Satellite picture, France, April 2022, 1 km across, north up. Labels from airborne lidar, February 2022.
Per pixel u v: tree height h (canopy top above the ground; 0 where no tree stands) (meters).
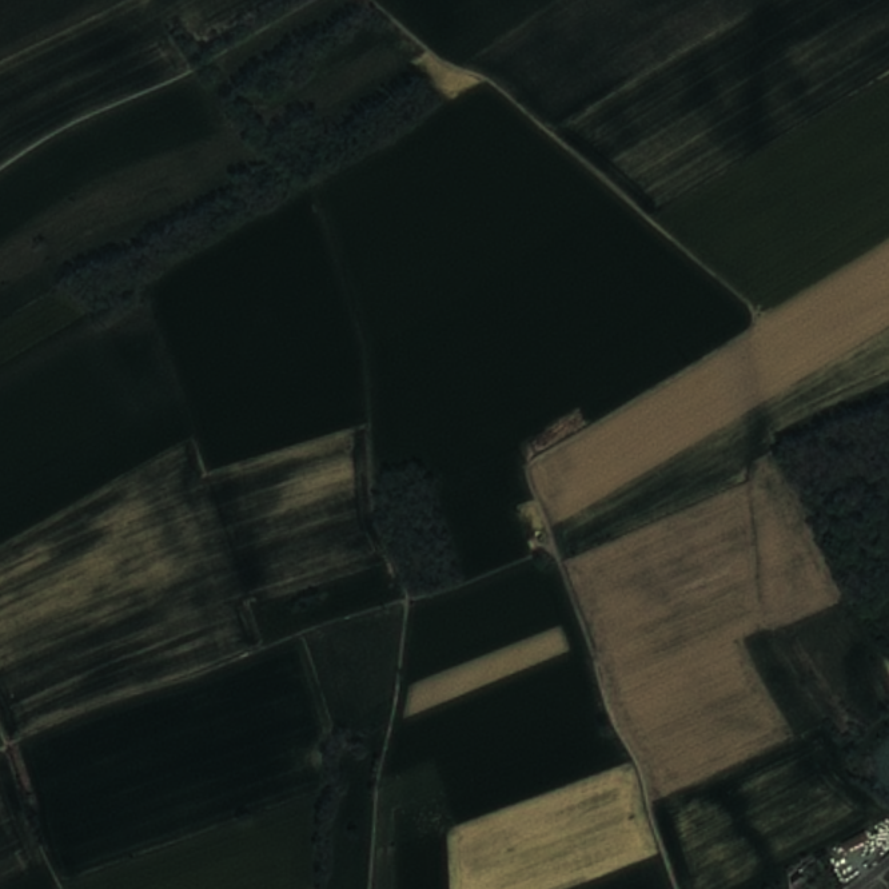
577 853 0
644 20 0
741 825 0
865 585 25
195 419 0
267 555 0
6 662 0
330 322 0
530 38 0
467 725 0
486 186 0
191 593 0
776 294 0
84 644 0
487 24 0
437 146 0
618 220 0
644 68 0
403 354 0
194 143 0
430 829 0
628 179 0
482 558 0
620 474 0
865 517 29
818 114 0
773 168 0
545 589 0
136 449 0
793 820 0
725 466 0
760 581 0
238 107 21
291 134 22
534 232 0
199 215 22
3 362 0
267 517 0
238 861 0
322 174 23
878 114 0
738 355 0
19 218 0
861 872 0
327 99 0
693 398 0
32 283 0
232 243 0
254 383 0
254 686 0
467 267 0
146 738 0
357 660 0
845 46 0
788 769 0
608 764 0
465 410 0
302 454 0
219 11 0
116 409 0
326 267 0
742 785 0
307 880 0
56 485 0
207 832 0
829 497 13
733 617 0
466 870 0
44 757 0
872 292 0
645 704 0
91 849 0
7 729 0
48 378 0
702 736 0
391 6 0
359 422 0
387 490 18
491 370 0
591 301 0
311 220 0
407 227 0
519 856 0
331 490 0
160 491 0
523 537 0
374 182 0
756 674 0
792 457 15
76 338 0
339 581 0
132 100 0
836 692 0
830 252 0
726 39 0
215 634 0
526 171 0
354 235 0
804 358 0
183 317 0
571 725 0
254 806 0
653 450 0
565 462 0
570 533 0
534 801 0
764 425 0
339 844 0
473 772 0
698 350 0
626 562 0
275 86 24
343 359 0
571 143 0
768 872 0
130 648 0
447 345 0
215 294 0
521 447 0
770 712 0
